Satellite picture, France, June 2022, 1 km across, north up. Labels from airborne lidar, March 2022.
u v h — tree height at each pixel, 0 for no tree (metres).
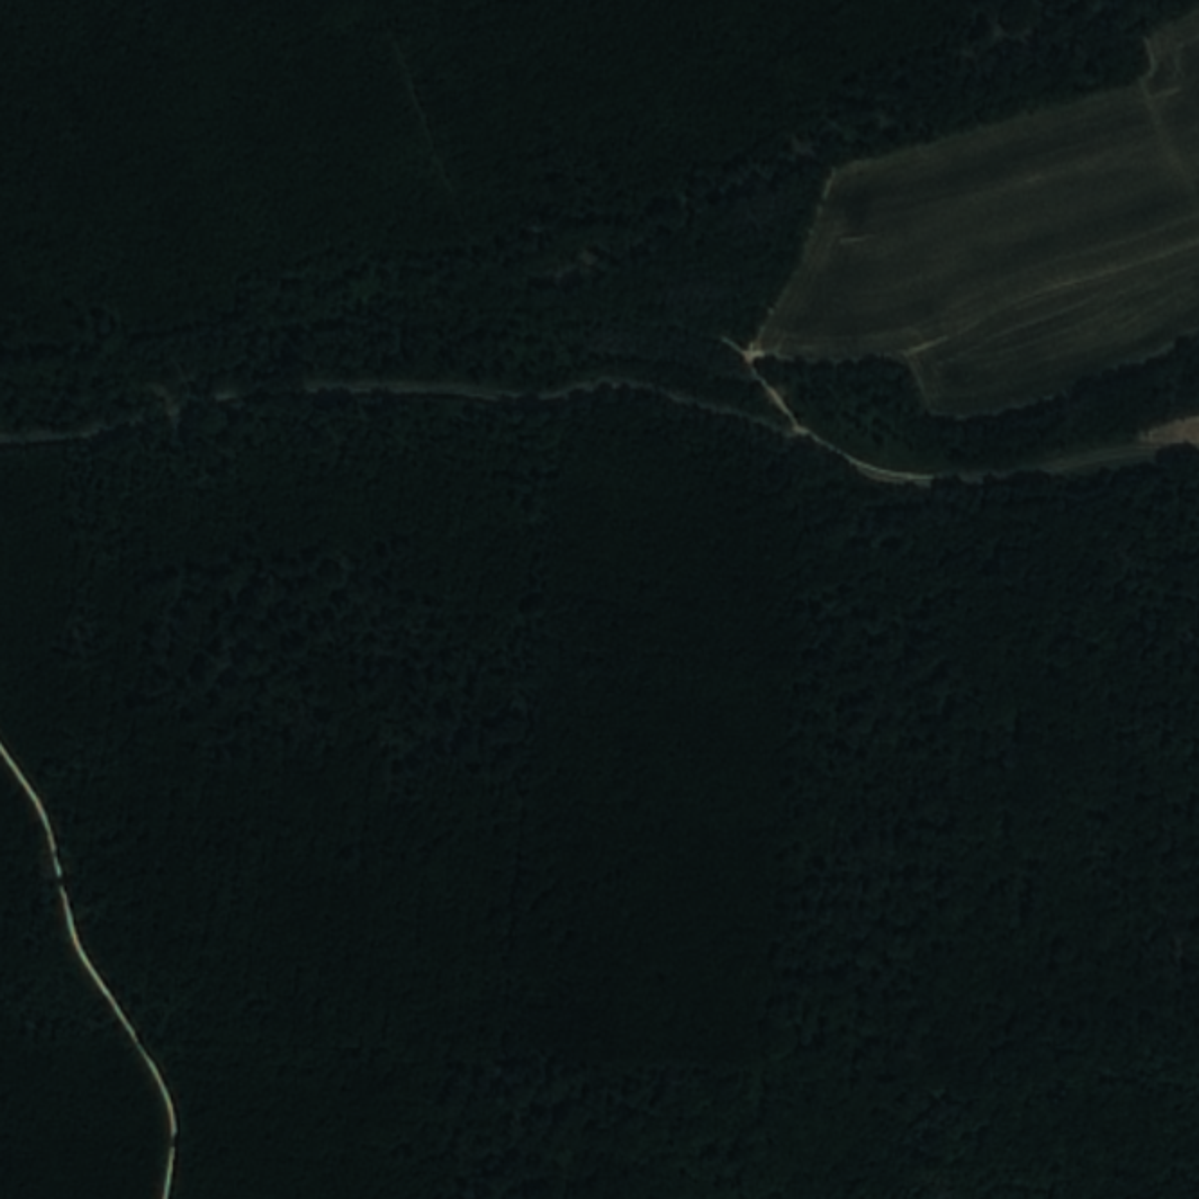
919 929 18
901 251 0
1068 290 0
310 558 26
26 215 7
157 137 7
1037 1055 24
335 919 8
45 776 15
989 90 23
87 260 6
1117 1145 22
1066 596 23
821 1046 21
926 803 20
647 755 13
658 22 7
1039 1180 14
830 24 10
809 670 17
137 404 23
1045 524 21
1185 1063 16
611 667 18
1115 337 0
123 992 19
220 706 21
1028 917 22
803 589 21
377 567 6
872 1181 24
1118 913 19
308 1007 6
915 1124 16
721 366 13
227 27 14
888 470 0
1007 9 27
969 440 22
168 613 21
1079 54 24
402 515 5
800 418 10
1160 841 24
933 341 0
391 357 26
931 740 21
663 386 0
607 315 12
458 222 9
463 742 23
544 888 8
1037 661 21
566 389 0
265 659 25
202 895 6
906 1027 24
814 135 17
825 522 26
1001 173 0
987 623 22
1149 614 22
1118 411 21
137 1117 11
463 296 18
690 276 23
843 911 19
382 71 8
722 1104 22
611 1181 24
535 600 23
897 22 8
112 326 21
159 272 8
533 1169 21
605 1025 17
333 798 10
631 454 0
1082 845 21
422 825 10
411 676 20
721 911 10
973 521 23
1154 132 0
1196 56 0
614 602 19
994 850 19
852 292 0
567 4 9
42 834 15
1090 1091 19
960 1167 16
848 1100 19
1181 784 20
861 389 21
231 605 22
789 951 10
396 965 7
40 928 7
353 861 22
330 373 23
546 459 17
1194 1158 20
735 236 23
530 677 24
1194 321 0
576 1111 30
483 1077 21
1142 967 24
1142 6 23
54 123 7
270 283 19
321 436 26
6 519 13
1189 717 22
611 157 7
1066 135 0
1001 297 0
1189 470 19
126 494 13
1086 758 21
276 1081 6
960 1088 21
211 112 6
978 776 21
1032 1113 16
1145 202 0
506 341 18
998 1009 9
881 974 21
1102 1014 18
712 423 16
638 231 20
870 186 0
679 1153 19
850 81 18
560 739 15
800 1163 15
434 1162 10
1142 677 19
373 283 19
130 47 7
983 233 0
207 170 8
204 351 22
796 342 0
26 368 19
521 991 8
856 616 18
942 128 17
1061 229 0
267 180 10
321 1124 14
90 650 14
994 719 23
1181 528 21
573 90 8
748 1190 18
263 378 22
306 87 8
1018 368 0
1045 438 17
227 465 18
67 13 7
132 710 20
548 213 22
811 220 14
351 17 9
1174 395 18
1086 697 20
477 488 9
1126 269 0
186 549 7
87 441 23
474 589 7
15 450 9
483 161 8
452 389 0
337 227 9
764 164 20
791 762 20
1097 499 19
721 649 14
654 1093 10
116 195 7
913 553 22
